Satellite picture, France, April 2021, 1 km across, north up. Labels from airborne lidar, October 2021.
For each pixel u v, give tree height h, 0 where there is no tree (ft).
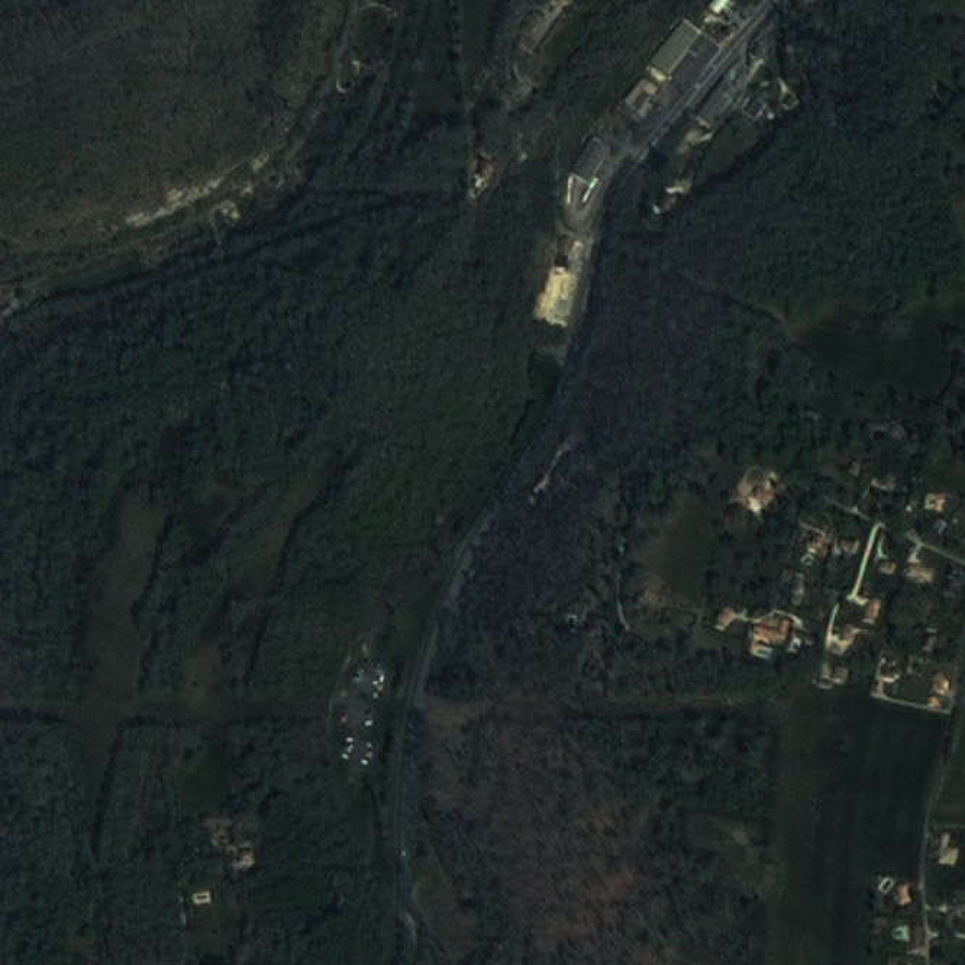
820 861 0
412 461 78
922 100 58
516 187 47
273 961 36
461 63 45
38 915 58
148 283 35
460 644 49
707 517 0
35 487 83
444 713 0
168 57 51
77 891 45
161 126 60
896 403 52
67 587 75
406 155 63
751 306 52
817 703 0
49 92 43
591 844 68
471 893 69
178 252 39
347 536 87
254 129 30
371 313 78
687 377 72
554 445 55
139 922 38
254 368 74
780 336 82
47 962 75
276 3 62
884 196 72
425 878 31
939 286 80
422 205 44
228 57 49
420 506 93
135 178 48
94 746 0
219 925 0
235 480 43
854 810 0
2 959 80
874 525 42
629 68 48
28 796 81
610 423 79
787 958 0
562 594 59
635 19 62
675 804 40
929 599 39
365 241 70
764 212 72
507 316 88
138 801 48
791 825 0
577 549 60
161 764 30
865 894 0
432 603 0
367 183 65
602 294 76
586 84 48
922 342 0
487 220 57
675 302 61
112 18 64
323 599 65
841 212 81
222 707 0
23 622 99
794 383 72
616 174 0
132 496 43
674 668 73
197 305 72
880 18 76
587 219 0
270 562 0
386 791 33
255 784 54
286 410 62
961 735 0
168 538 44
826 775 0
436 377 79
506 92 56
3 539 82
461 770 23
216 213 20
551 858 70
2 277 52
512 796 49
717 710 21
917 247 68
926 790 0
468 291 83
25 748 62
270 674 56
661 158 38
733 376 68
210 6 72
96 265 35
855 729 0
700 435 67
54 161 35
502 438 42
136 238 41
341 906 69
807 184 61
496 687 71
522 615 80
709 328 61
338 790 60
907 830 0
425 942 59
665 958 79
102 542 56
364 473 87
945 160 71
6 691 77
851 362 0
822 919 0
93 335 36
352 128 99
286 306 98
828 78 66
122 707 0
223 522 0
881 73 66
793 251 86
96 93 44
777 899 0
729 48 0
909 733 0
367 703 42
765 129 34
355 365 78
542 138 63
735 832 0
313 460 63
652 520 69
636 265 68
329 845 87
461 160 75
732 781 44
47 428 89
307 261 56
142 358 59
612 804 63
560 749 37
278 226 45
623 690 52
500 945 56
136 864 49
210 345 71
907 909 22
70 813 63
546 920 64
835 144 69
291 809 76
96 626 0
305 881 64
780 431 36
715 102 0
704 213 64
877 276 86
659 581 0
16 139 48
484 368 81
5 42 52
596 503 69
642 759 54
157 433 46
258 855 24
